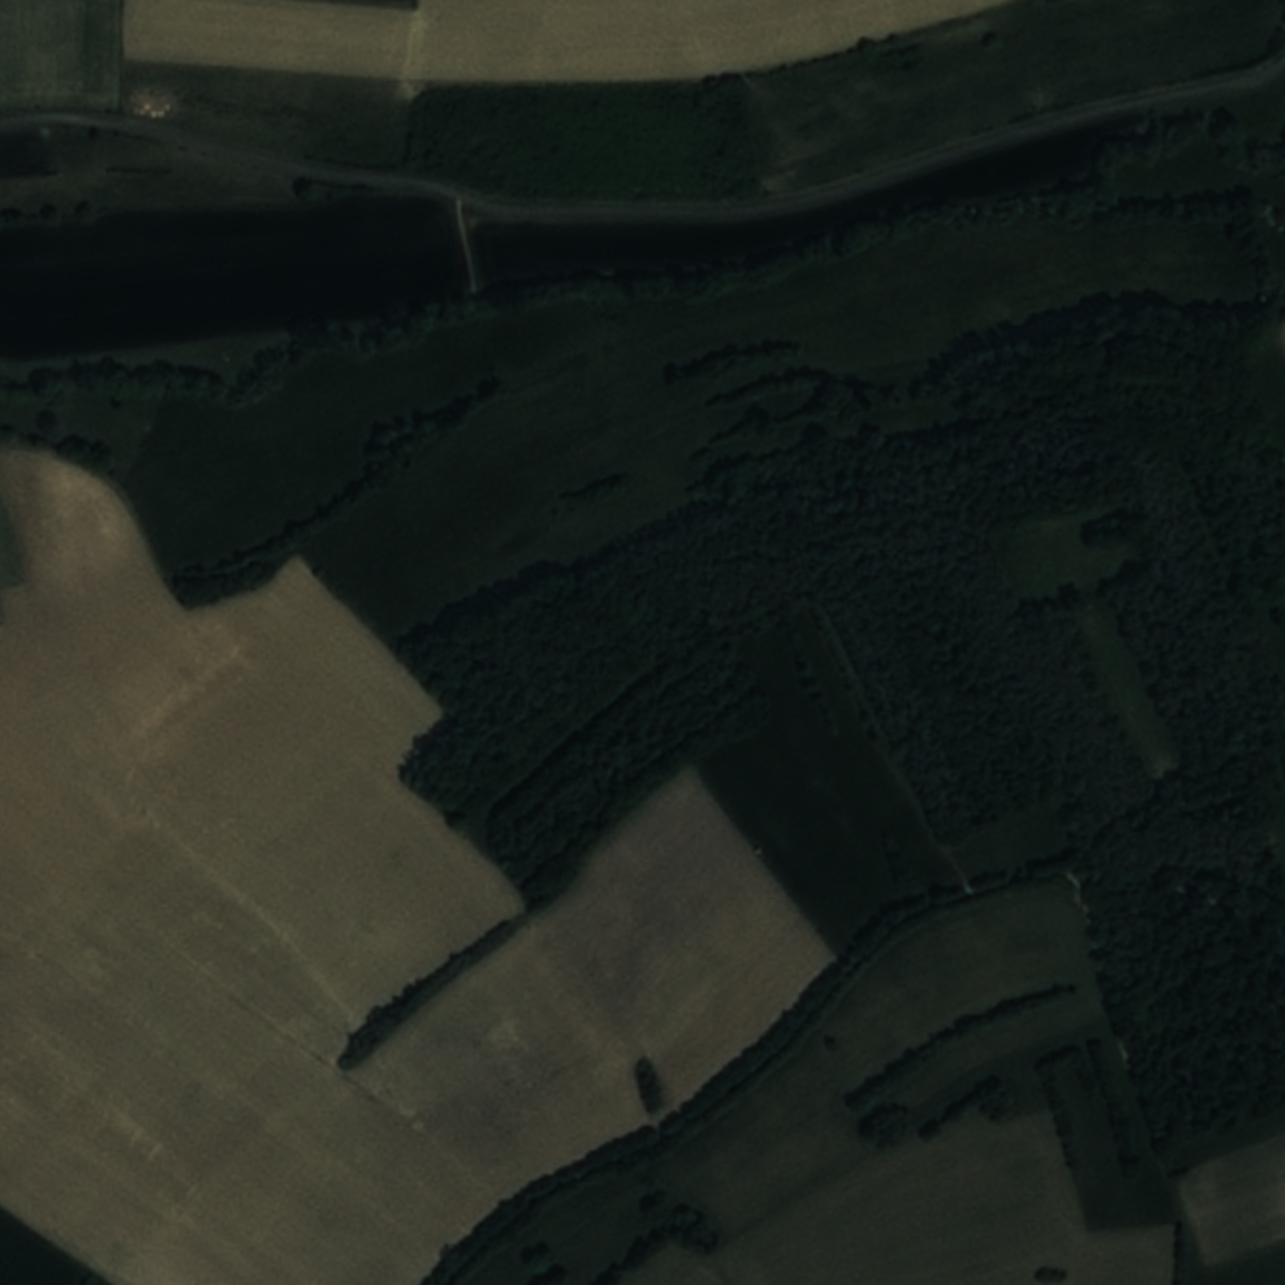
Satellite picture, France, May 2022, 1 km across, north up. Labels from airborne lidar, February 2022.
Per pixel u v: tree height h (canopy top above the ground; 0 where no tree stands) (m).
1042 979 0
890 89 0
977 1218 0
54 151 0
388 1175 0
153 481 0
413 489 0
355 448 0
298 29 0
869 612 20
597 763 19
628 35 0
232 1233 0
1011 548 0
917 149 0
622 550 15
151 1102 0
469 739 24
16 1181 0
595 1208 0
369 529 0
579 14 0
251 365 0
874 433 13
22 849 0
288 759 0
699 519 22
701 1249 7
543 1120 0
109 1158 0
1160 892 21
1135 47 0
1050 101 0
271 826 0
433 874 0
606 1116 0
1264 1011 27
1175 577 23
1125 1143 11
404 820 0
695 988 0
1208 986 23
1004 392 27
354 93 0
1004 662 23
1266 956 27
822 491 22
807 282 0
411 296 0
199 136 0
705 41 0
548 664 24
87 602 0
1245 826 25
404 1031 0
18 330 0
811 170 0
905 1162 0
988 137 0
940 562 21
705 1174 0
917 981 0
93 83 0
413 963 0
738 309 0
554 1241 0
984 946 0
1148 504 19
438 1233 0
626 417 0
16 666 0
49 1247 0
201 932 0
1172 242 0
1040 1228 0
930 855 0
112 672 0
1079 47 0
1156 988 18
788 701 0
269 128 0
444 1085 0
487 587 0
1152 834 23
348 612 0
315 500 0
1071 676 22
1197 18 0
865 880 0
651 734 14
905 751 9
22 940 0
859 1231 0
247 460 0
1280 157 20
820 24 0
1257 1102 22
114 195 0
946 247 0
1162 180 0
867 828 0
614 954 0
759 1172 0
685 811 0
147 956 0
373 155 0
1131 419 23
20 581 0
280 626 0
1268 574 24
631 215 0
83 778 0
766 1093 0
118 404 11
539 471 0
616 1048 0
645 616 21
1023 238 0
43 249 0
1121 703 0
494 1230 11
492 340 0
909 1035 0
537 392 0
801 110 0
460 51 0
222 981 0
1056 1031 0
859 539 21
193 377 16
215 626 0
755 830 0
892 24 0
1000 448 21
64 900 0
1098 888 13
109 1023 0
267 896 0
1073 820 19
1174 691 19
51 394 21
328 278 0
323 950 0
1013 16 0
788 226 0
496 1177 0
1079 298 0
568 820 16
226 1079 0
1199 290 0
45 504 0
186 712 0
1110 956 15
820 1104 0
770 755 0
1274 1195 0
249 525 0
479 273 0
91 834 0
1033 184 0
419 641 16
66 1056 0
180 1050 0
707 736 18
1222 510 21
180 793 0
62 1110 0
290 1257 0
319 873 0
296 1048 0
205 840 0
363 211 0
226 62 0
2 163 0
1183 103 0
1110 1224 0
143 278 0
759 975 0
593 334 0
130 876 0
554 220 0
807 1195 0
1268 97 0
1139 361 34
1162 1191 0
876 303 0
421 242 0
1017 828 0
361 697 0
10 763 0
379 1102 0
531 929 0
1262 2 0
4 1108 0
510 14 0
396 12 0
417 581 0
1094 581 0
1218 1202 0
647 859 0
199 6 0
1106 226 13
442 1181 0
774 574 21
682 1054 0
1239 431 22
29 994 0
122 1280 0
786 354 12
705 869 0
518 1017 0
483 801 18
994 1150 0
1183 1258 9
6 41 0
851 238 21
